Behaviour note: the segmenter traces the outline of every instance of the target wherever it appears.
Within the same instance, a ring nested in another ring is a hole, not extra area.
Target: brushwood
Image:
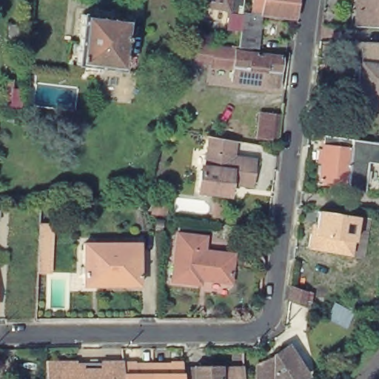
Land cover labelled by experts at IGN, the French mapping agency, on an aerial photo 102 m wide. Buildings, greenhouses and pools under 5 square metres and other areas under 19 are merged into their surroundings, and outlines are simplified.
[[[238,357],[243,351],[246,360],[249,360],[250,364],[265,360],[264,349],[225,348],[218,345],[215,345],[215,348],[204,346],[203,357],[229,355],[232,358]]]
[[[18,358],[25,360],[24,367],[31,370],[31,379],[46,379],[47,361],[59,361],[61,355],[76,357],[80,348],[16,349],[13,354]]]
[[[161,142],[154,145],[147,155],[147,163],[142,166],[144,169],[155,170],[155,163],[160,163],[161,151]]]
[[[318,164],[312,158],[314,150],[308,148],[303,191],[314,192],[314,184],[318,181]]]
[[[152,215],[150,209],[142,209],[142,216],[145,219],[138,234],[147,232],[152,238],[152,246],[157,247],[155,318],[170,318],[172,314],[176,314],[176,299],[172,296],[170,286],[167,284],[167,269],[172,256],[173,235],[166,225],[157,222],[157,216]]]
[[[303,201],[299,215],[298,237],[298,238],[305,237],[305,221],[314,225],[318,222],[318,212],[324,212],[323,206],[314,200]]]

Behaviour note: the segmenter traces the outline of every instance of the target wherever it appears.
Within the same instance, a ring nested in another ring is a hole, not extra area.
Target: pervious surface
[[[298,237],[299,215],[303,201],[314,200],[323,206],[324,212],[363,218],[361,237],[355,246],[354,256],[361,258],[366,255],[369,222],[372,219],[379,221],[379,188],[372,188],[367,184],[367,191],[364,192],[361,197],[363,203],[357,209],[348,210],[341,204],[324,200],[323,195],[314,192],[303,191],[308,148],[308,145],[301,148],[298,192],[293,197],[295,209],[292,234]]]
[[[99,76],[99,89],[105,101],[110,102],[115,98],[121,104],[129,104],[136,86],[135,77],[130,71],[138,65],[138,55],[141,52],[144,38],[135,38],[130,53],[132,56],[126,67],[92,65],[90,68],[93,76]]]
[[[234,105],[241,102],[264,108],[275,107],[278,102],[283,101],[286,86],[283,83],[280,87],[262,84],[249,86],[238,83],[237,78],[229,77],[229,71],[216,73],[215,77],[207,77],[207,83],[212,86],[232,89],[237,87],[240,93],[235,96]]]
[[[155,318],[157,324],[232,324],[229,318],[182,318],[170,318]]]
[[[139,324],[138,318],[38,318],[33,318],[27,324]]]

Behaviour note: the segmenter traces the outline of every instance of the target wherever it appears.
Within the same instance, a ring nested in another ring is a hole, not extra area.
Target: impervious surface
[[[367,184],[372,188],[379,188],[379,163],[367,163]]]
[[[204,305],[206,302],[206,293],[216,292],[224,296],[234,289],[234,278],[229,283],[219,286],[204,283],[203,289],[200,290],[198,305]]]
[[[210,203],[201,195],[201,184],[209,139],[212,136],[209,135],[203,136],[203,148],[195,150],[192,154],[192,166],[195,167],[197,179],[191,197],[209,203],[209,212],[206,215],[181,212],[178,218],[210,222],[210,219],[221,215],[221,207],[212,201]]]
[[[327,21],[326,13],[333,9],[338,0],[302,0],[301,15],[298,21],[295,21],[296,36],[290,38],[286,46],[292,47],[292,55],[286,58],[281,77],[283,83],[286,86],[283,101],[286,111],[286,132],[281,138],[284,150],[278,157],[266,152],[261,145],[243,142],[237,155],[256,161],[255,184],[258,187],[238,188],[238,198],[246,194],[264,197],[269,197],[271,192],[277,194],[277,203],[265,201],[259,207],[266,218],[274,221],[278,237],[278,246],[274,247],[271,255],[264,258],[266,277],[259,289],[259,295],[264,298],[264,308],[261,315],[250,323],[232,324],[157,324],[155,318],[157,247],[152,246],[151,250],[144,247],[144,278],[136,292],[141,293],[144,301],[138,318],[139,324],[27,324],[15,324],[15,332],[10,332],[9,327],[0,323],[0,366],[4,364],[10,367],[18,358],[13,354],[16,349],[80,348],[76,357],[61,355],[59,361],[77,361],[84,364],[89,363],[89,357],[102,355],[107,357],[108,361],[129,363],[151,360],[151,363],[182,361],[187,364],[189,361],[200,360],[203,357],[204,346],[215,348],[215,345],[218,345],[225,348],[264,349],[265,360],[274,358],[287,346],[293,346],[305,366],[312,372],[317,370],[314,361],[308,354],[311,346],[306,338],[306,324],[308,311],[305,306],[287,302],[283,298],[286,280],[292,281],[298,238],[298,237],[292,234],[295,209],[293,197],[298,192],[301,148],[308,145],[308,148],[314,150],[315,141],[301,135],[296,115],[303,107],[311,110],[314,107],[309,98],[312,87],[317,83],[318,71],[321,70],[318,67],[318,53],[321,43],[341,43],[345,40],[351,43],[360,43],[379,43],[379,31],[373,33],[372,30],[358,27],[354,18],[345,21],[348,30],[342,25],[335,31],[333,28],[324,27],[324,21]]]
[[[7,213],[3,213],[3,215],[0,216],[0,246],[7,247],[7,235],[9,235],[9,213]]]
[[[210,250],[227,252],[225,244],[231,228],[224,225],[221,231],[207,235]]]
[[[7,265],[0,268],[0,315],[6,315]]]
[[[53,280],[62,280],[65,283],[64,309],[70,309],[70,306],[70,293],[83,292],[86,289],[86,271],[83,268],[86,264],[86,249],[90,243],[87,238],[81,237],[78,240],[76,272],[55,272],[46,278],[46,301],[47,309],[58,311],[55,306],[50,305]]]
[[[379,379],[379,351],[367,363],[363,372],[354,379]]]
[[[76,36],[77,21],[84,15],[87,7],[78,0],[68,0],[64,33],[65,40],[68,40]]]

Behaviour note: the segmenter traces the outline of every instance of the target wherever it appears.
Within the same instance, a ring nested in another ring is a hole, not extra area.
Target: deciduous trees
[[[163,58],[157,52],[151,55],[141,52],[138,55],[138,65],[130,71],[135,77],[136,86],[142,90],[144,98],[151,99],[154,104],[163,105],[182,87],[192,86],[194,80],[188,78],[185,67],[189,59],[194,59],[200,55],[201,46],[219,49],[222,46],[240,44],[231,33],[200,36],[197,31],[198,22],[209,13],[210,1],[207,0],[167,0],[167,4],[172,6],[173,15],[166,34],[158,37],[158,41],[167,44],[170,52]]]
[[[274,139],[274,142],[262,142],[261,145],[266,152],[278,157],[284,150],[281,138]]]
[[[354,0],[338,0],[333,9],[326,13],[327,21],[324,21],[324,27],[333,28],[335,31],[342,25],[348,30],[345,21],[354,18]]]
[[[0,52],[0,120],[3,117],[13,118],[18,124],[25,124],[27,135],[38,135],[44,151],[62,152],[77,160],[86,154],[84,135],[93,127],[93,117],[105,110],[110,102],[105,101],[99,89],[99,76],[93,76],[87,78],[89,84],[80,93],[83,99],[78,102],[77,110],[37,110],[31,98],[34,78],[41,67],[37,67],[34,61],[33,50],[21,44],[27,36],[25,33],[30,30],[30,4],[27,0],[0,0],[0,19],[7,12],[12,13],[10,25],[16,25],[19,30],[18,36],[13,37],[10,38],[12,44]],[[24,102],[22,107],[10,107],[10,80],[18,87],[19,99]]]
[[[161,151],[178,145],[169,141],[170,136],[188,136],[188,130],[197,120],[194,105],[185,104],[172,108],[166,117],[161,115],[148,123],[154,145],[161,142]]]
[[[341,184],[338,179],[332,185],[318,185],[318,181],[314,184],[314,192],[323,195],[324,200],[341,204],[348,210],[357,209],[363,203],[361,197],[364,192],[352,187],[351,184]]]
[[[221,138],[222,133],[229,132],[227,120],[216,120],[212,126],[207,126],[209,135],[212,136]]]
[[[12,203],[10,197],[3,197],[0,200],[0,216],[3,215],[3,213],[7,213],[12,207],[18,207],[24,212],[28,207],[36,207],[40,209],[41,215],[49,218],[47,224],[52,228],[55,237],[61,238],[62,234],[68,234],[78,240],[81,237],[80,225],[92,227],[101,219],[105,209],[113,213],[126,213],[135,218],[136,210],[142,209],[150,209],[166,207],[167,215],[157,216],[157,222],[166,225],[173,235],[176,232],[207,235],[221,231],[224,225],[231,228],[225,244],[227,252],[237,253],[235,269],[253,275],[249,287],[249,292],[253,293],[252,299],[250,303],[238,303],[237,311],[231,312],[222,301],[224,296],[216,292],[206,293],[206,302],[204,305],[198,305],[192,305],[184,312],[179,312],[182,318],[229,318],[232,324],[250,323],[261,315],[264,308],[264,298],[259,295],[259,289],[266,277],[264,258],[271,255],[274,247],[278,246],[278,237],[274,221],[266,218],[259,207],[240,216],[237,210],[229,206],[231,198],[213,197],[212,201],[221,207],[221,215],[210,219],[210,222],[178,218],[181,212],[176,210],[176,198],[179,197],[172,185],[161,181],[155,170],[144,169],[144,175],[138,178],[102,179],[99,182],[99,198],[93,197],[92,191],[86,185],[76,184],[71,187],[67,182],[61,182],[53,185],[52,189],[27,195],[19,201],[18,206]]]
[[[354,379],[363,372],[367,363],[379,351],[379,303],[370,308],[354,309],[355,302],[361,302],[363,299],[354,286],[346,289],[338,287],[332,295],[326,295],[326,301],[323,302],[314,299],[312,308],[308,311],[306,324],[315,329],[321,318],[332,317],[333,305],[345,306],[352,311],[351,326],[351,335],[346,336],[345,351],[341,354],[333,352],[324,357],[320,355],[314,361],[317,370],[312,372],[312,379]]]
[[[90,308],[70,306],[70,309],[64,309],[58,311],[47,309],[46,301],[38,301],[38,318],[138,318],[144,301],[141,293],[136,292],[130,292],[127,293],[127,299],[132,301],[133,309],[117,309],[108,308],[107,299],[113,299],[110,290],[89,292],[92,295]]]
[[[309,98],[314,107],[311,110],[303,107],[296,115],[301,135],[315,141],[320,141],[326,135],[352,138],[360,129],[361,123],[366,120],[367,114],[373,111],[369,98],[364,95],[362,89],[360,84],[349,80],[343,73],[345,68],[354,70],[357,67],[357,56],[349,47],[351,43],[345,40],[341,43],[321,43],[318,53],[318,67],[321,70],[318,71],[317,83],[312,87]]]

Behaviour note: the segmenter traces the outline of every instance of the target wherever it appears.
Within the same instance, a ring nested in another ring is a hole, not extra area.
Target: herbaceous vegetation
[[[352,138],[379,142],[379,113],[373,111],[367,114],[366,120],[361,123],[360,129]]]
[[[101,219],[92,227],[80,225],[81,237],[87,238],[90,243],[144,243],[144,247],[151,250],[152,246],[152,238],[147,232],[138,234],[145,219],[142,216],[142,209],[136,210],[135,218],[126,213],[113,213],[105,209]]]
[[[200,36],[231,33],[225,25],[213,24],[209,13],[198,22],[197,31]]]
[[[0,52],[12,44],[10,38],[13,37],[9,34],[10,25],[12,13],[7,12],[0,19]]]
[[[265,22],[265,33],[261,36],[261,55],[281,55],[286,58],[292,55],[292,47],[286,46],[290,38],[296,36],[295,21],[262,18]]]
[[[0,379],[31,379],[31,370],[24,367],[25,360],[18,358],[10,367],[4,364],[0,366]]]
[[[200,290],[170,286],[172,296],[176,299],[176,314],[172,314],[170,318],[182,318],[179,312],[184,312],[192,305],[198,305]]]
[[[224,367],[241,367],[246,360],[243,351],[238,357],[232,358],[229,355],[203,357],[200,360],[203,366]]]
[[[271,192],[269,197],[264,197],[246,194],[238,198],[231,198],[229,206],[237,210],[240,216],[259,207],[265,201],[277,203],[277,194]]]
[[[366,255],[361,258],[354,256],[309,249],[309,232],[314,225],[305,221],[305,237],[298,238],[292,281],[298,289],[311,292],[314,299],[323,302],[326,301],[326,295],[332,295],[338,287],[346,289],[354,286],[363,299],[361,302],[355,302],[354,309],[370,308],[379,303],[379,221],[372,219],[369,222]]]
[[[61,238],[55,237],[55,272],[76,272],[78,240],[68,234],[62,234]]]
[[[108,308],[117,309],[133,309],[132,301],[127,299],[127,293],[130,292],[110,290],[113,299],[107,299]]]
[[[49,218],[41,215],[40,209],[36,207],[28,207],[24,212],[18,207],[12,207],[7,213],[9,213],[9,235],[7,235],[7,247],[0,246],[0,268],[7,265],[6,315],[0,315],[0,323],[9,327],[10,332],[15,332],[15,324],[27,324],[33,318],[34,301],[38,295],[38,301],[46,301],[46,278],[37,272],[37,258],[40,225],[47,224]]]
[[[234,278],[234,289],[224,296],[222,301],[231,312],[237,311],[238,303],[250,303],[252,299],[253,293],[249,292],[249,287],[253,275],[235,269]]]
[[[151,55],[157,52],[163,58],[170,52],[167,44],[158,41],[158,37],[166,34],[173,15],[172,6],[167,4],[167,0],[78,0],[87,7],[84,15],[89,18],[133,22],[135,38],[144,38],[141,52]]]
[[[89,292],[83,292],[70,293],[70,306],[90,308],[92,295]]]
[[[343,73],[349,80],[360,84],[362,89],[364,56],[360,43],[351,43],[349,47],[357,56],[357,67],[354,70],[345,68]]]
[[[324,357],[333,352],[341,354],[345,351],[346,336],[351,335],[351,326],[345,329],[333,323],[332,317],[321,318],[315,329],[306,324],[306,338],[311,346],[308,354],[314,361],[320,355]]]
[[[197,179],[195,167],[192,166],[192,154],[195,150],[203,148],[203,136],[209,135],[207,126],[212,126],[216,120],[227,120],[229,132],[222,133],[221,138],[243,142],[261,145],[262,142],[258,139],[259,114],[280,114],[281,111],[286,111],[283,101],[278,102],[275,107],[264,108],[241,102],[234,105],[235,96],[240,93],[237,87],[232,89],[212,86],[207,83],[207,77],[204,68],[194,59],[189,59],[185,67],[188,78],[194,80],[192,86],[182,87],[163,105],[154,104],[151,99],[144,98],[142,90],[136,86],[129,104],[121,104],[115,98],[110,102],[105,110],[93,117],[93,127],[84,135],[86,154],[77,160],[62,152],[44,151],[38,135],[27,135],[25,124],[18,124],[13,118],[3,117],[0,120],[0,200],[3,197],[10,197],[12,203],[18,206],[19,201],[27,195],[52,189],[53,185],[61,182],[67,182],[71,187],[76,184],[86,185],[92,191],[93,197],[99,198],[99,182],[102,179],[138,178],[144,175],[144,169],[142,166],[147,163],[147,155],[154,145],[148,123],[161,115],[166,117],[172,108],[185,104],[194,105],[197,120],[188,130],[188,136],[170,136],[169,141],[178,145],[161,151],[160,163],[155,163],[155,170],[161,181],[172,185],[179,197],[191,197]]]
[[[27,0],[30,4],[30,30],[25,33],[27,36],[21,44],[33,50],[34,61],[37,67],[41,67],[34,78],[41,86],[52,87],[64,80],[67,89],[80,93],[89,84],[87,78],[93,76],[90,68],[83,70],[77,61],[68,65],[73,52],[65,47],[68,40],[65,40],[64,33],[68,0]]]

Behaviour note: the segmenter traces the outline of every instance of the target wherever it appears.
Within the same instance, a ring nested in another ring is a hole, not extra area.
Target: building
[[[318,185],[332,185],[338,179],[341,184],[351,184],[352,187],[364,192],[367,191],[367,184],[367,163],[379,163],[379,142],[352,138],[326,135],[320,141],[315,141],[314,150],[312,158],[318,164],[318,181]]]
[[[292,281],[286,280],[283,298],[287,302],[305,306],[308,311],[312,308],[314,299],[311,292],[298,289]]]
[[[286,111],[281,111],[280,114],[259,114],[258,139],[262,142],[274,142],[274,139],[281,138],[286,132]]]
[[[144,278],[144,247],[144,243],[90,243],[86,249],[86,264],[83,268],[86,271],[86,289],[83,292],[89,292],[110,290],[130,292],[136,292]]]
[[[354,256],[355,246],[361,237],[363,218],[324,212],[318,212],[318,222],[314,225],[309,232],[309,249]]]
[[[10,80],[10,107],[22,107],[24,102],[19,99],[18,87]]]
[[[210,1],[209,13],[213,24],[225,25],[231,33],[240,44],[222,46],[219,49],[201,46],[200,55],[194,59],[204,68],[207,77],[215,77],[216,73],[229,71],[229,77],[237,78],[238,83],[249,86],[262,84],[280,87],[283,83],[281,77],[286,58],[281,55],[261,55],[261,36],[265,33],[265,22],[262,18],[295,21],[298,21],[301,15],[302,0],[207,0]]]
[[[90,68],[92,65],[126,67],[132,56],[130,53],[135,38],[133,22],[89,18],[84,15],[77,21],[76,36],[68,40],[65,47],[73,52],[68,65],[77,61],[83,70]]]
[[[33,318],[38,318],[38,301],[38,295],[34,301]]]
[[[358,27],[372,30],[373,33],[379,31],[379,0],[354,0],[354,18]]]
[[[167,269],[167,284],[170,286],[200,290],[203,289],[204,283],[219,286],[229,283],[234,278],[235,269],[237,253],[227,252],[210,250],[207,235],[176,232],[173,235],[172,256]]]
[[[364,95],[369,98],[373,111],[379,113],[379,43],[360,43],[364,56],[362,89]]]
[[[10,25],[9,34],[13,37],[18,36],[19,30],[16,25]]]
[[[166,207],[150,209],[152,215],[157,216],[167,215]]]
[[[201,184],[201,195],[210,203],[212,201],[213,197],[231,198],[238,198],[238,188],[258,187],[255,184],[256,161],[237,155],[243,142],[221,138],[212,136],[209,139]]]
[[[333,305],[332,317],[333,323],[345,329],[351,326],[352,311],[345,306]]]
[[[47,224],[40,225],[37,258],[37,272],[46,278],[55,272],[55,237],[52,228]]]
[[[47,361],[46,379],[312,379],[312,372],[305,366],[293,346],[287,346],[274,358],[265,360],[250,364],[249,360],[246,360],[241,367],[224,367],[203,366],[200,360],[189,361],[187,364],[182,361],[151,363],[151,360],[129,363],[108,361],[107,357],[102,355],[89,357],[89,363],[84,364],[77,361],[59,361]]]

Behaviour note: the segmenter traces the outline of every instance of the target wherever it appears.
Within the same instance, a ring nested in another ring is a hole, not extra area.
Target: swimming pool
[[[191,197],[179,197],[176,198],[176,210],[181,212],[206,215],[209,212],[209,203]]]
[[[77,110],[78,102],[83,99],[80,93],[67,89],[64,80],[52,87],[41,86],[34,78],[31,98],[37,110]]]
[[[55,306],[58,311],[64,309],[65,283],[62,280],[53,280],[50,305]]]

